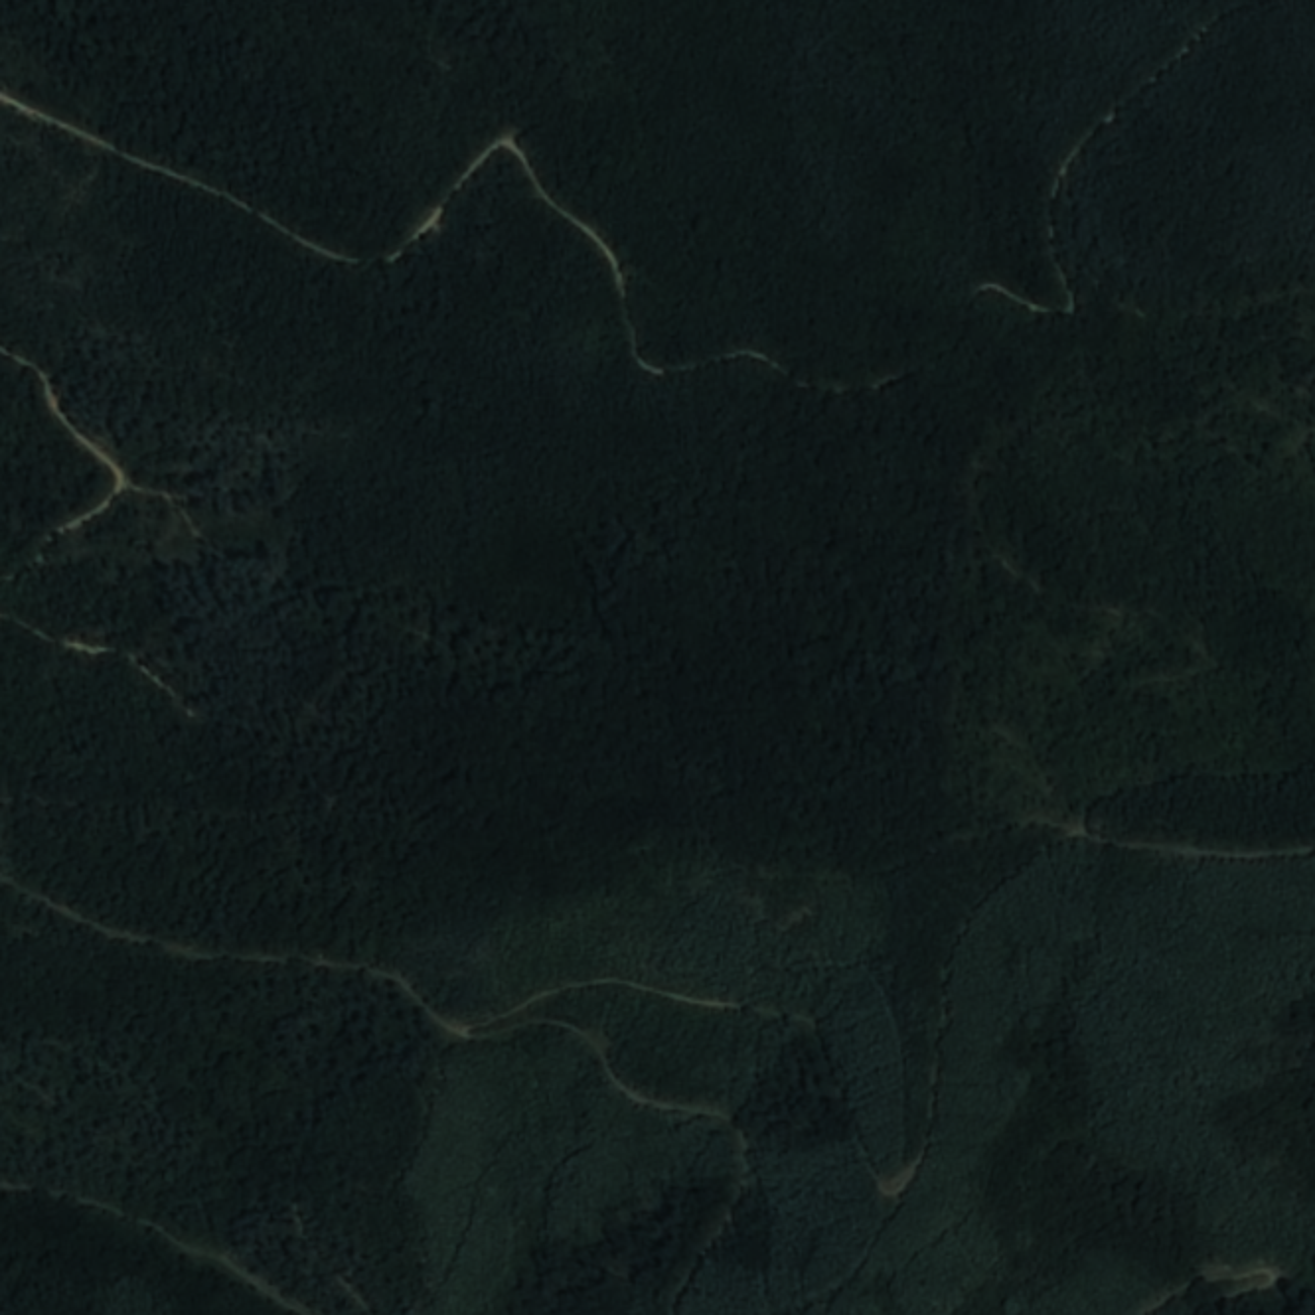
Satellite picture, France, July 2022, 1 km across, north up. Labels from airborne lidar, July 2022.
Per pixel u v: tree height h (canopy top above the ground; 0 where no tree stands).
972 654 8
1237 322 11
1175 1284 7
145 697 8
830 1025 13
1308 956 11
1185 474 9
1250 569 9
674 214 8
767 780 19
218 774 14
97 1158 20
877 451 17
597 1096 9
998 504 9
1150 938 12
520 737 19
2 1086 22
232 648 25
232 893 15
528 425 15
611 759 17
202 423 7
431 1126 11
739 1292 14
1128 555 10
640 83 8
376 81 10
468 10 11
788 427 20
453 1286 13
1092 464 9
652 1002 10
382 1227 9
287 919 19
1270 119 11
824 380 11
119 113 8
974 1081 17
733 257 13
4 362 19
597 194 10
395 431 12
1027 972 16
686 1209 18
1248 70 11
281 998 20
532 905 12
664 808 18
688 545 20
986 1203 7
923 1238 15
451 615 21
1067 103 13
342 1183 9
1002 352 14
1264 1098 15
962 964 18
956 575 16
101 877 16
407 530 9
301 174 12
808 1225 15
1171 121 12
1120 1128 13
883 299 18
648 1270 19
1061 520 8
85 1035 17
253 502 25
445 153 9
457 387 15
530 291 13
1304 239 9
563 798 16
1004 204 19
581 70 10
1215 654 12
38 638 6
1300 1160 11
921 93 15
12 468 13
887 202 12
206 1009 22
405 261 13
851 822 15
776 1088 11
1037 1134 14
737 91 13
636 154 14
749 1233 12
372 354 13
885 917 9
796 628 25
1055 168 10
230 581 9
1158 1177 8
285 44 11
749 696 21
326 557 19
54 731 8
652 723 16
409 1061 22
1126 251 13
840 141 9
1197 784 12
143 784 11
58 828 15
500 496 12
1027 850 16
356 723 18
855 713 23
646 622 22
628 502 8
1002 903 16
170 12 11
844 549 20
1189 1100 14
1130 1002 13
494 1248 12
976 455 16
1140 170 14
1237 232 12
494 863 17
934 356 15
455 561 13
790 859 11
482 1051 13
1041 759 10
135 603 7
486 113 9
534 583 8
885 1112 14
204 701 23
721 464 12
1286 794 13
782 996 14
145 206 14
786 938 11
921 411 19
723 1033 10
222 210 7
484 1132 13
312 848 20
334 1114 15
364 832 18
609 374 10
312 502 13
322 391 13
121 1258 23
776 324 13
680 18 9
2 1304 11
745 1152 10
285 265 7
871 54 13
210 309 10
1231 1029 15
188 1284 22
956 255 15
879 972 10
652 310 10
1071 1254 13
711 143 11
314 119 18
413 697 17
